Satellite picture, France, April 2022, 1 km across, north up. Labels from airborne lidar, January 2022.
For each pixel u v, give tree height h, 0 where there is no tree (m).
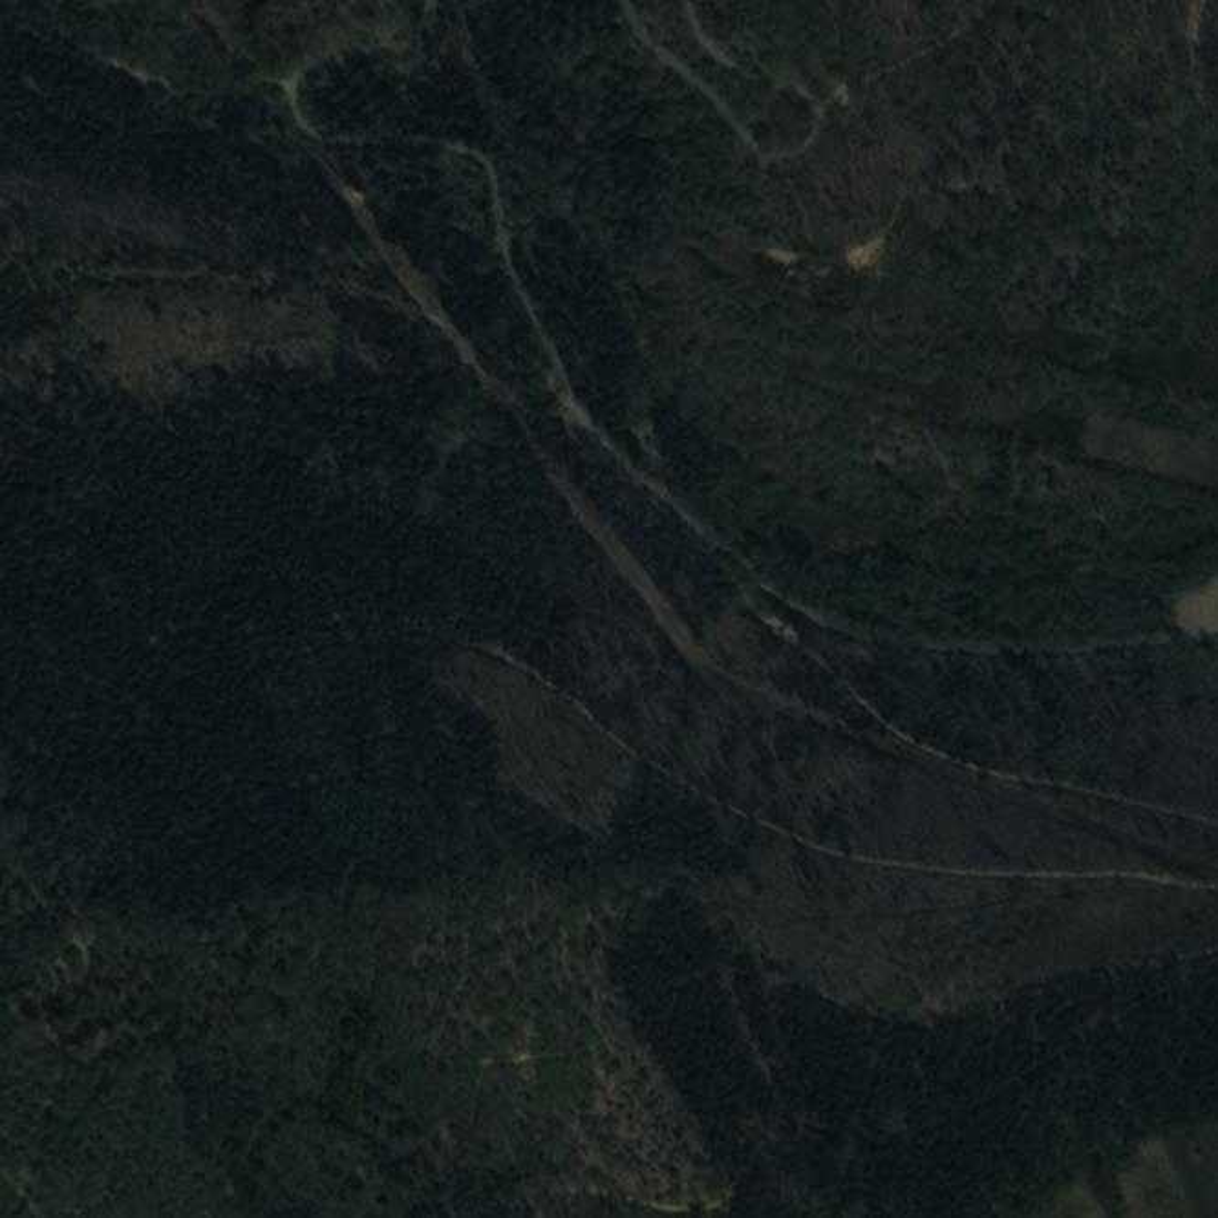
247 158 19
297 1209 29
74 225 21
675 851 22
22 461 29
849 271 0
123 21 24
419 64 14
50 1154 18
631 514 24
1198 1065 24
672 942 26
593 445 24
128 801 33
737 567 19
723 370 16
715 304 15
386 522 34
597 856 21
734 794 20
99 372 12
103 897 24
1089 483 16
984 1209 20
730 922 13
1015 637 20
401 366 12
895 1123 17
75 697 27
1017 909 12
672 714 21
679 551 24
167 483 31
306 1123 23
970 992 13
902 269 11
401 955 16
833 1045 23
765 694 0
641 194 17
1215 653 20
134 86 28
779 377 10
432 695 23
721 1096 28
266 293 11
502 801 18
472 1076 24
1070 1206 0
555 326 26
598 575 28
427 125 22
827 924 13
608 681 19
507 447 17
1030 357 16
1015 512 10
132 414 24
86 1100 18
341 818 22
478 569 27
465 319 17
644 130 24
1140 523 19
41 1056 14
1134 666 17
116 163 29
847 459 9
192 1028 13
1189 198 15
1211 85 26
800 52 17
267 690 29
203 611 45
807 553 27
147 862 32
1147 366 0
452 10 18
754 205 14
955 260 16
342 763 18
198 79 22
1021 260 14
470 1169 18
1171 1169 0
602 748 21
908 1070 22
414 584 30
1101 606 21
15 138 26
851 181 15
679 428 27
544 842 14
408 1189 32
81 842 30
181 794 9
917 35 15
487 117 29
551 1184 25
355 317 10
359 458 36
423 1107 28
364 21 20
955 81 14
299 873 21
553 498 20
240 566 29
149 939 22
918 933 12
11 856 21
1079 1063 21
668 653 22
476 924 19
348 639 19
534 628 26
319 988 24
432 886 17
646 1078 16
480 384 25
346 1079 14
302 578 34
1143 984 23
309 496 33
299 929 22
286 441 26
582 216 18
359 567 32
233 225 23
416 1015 16
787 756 18
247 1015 21
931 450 15
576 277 31
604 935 18
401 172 22
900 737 11
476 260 19
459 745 21
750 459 17
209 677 28
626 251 15
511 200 17
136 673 34
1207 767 18
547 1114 7
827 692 16
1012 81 19
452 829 20
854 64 16
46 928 17
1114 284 23
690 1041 27
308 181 21
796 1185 22
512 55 11
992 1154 25
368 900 16
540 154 21
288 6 25
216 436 30
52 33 31
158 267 16
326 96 19
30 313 12
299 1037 23
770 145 18
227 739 26
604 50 10
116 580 21
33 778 28
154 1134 15
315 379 21
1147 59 22
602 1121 9
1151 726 17
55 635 26
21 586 25
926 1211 25
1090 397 16
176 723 35
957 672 17
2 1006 17
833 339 14
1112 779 17
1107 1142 11
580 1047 11
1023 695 14
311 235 18
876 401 13
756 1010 27
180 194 23
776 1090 21
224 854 27
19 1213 22
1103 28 22
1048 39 20
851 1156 15
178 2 20
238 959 21
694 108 7
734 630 25
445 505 22
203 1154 19
